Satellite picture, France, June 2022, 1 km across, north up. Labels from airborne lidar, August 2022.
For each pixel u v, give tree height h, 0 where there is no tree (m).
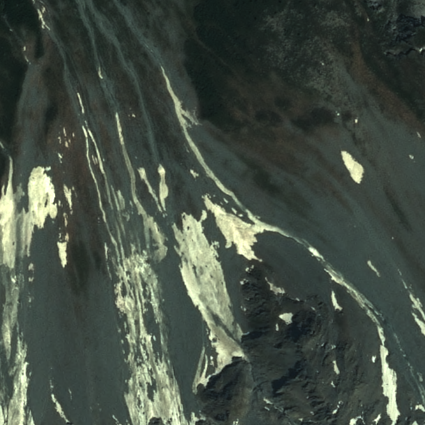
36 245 0
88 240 0
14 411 0
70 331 0
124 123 0
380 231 0
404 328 0
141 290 0
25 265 0
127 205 0
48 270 0
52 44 0
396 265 0
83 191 0
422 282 0
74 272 0
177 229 0
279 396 0
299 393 0
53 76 0
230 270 0
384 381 0
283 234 0
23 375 0
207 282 0
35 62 0
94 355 0
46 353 0
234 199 0
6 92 0
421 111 0
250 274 7
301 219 0
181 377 0
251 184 0
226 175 0
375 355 0
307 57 0
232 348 0
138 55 0
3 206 0
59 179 0
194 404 0
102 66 0
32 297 0
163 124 0
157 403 0
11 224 0
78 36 0
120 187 0
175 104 0
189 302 0
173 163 0
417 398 0
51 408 0
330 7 0
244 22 0
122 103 0
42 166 0
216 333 0
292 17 0
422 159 0
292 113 0
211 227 0
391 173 0
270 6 0
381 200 0
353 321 0
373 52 0
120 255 0
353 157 0
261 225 0
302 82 0
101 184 0
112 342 0
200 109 0
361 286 0
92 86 0
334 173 0
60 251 0
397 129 0
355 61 0
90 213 0
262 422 0
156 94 0
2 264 0
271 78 0
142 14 0
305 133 0
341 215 0
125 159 0
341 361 0
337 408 0
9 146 0
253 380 0
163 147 0
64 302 0
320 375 0
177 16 0
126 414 0
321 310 0
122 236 0
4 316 0
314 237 0
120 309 0
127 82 0
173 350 0
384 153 0
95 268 0
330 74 0
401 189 0
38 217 0
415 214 0
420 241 0
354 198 0
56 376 0
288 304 0
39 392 0
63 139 0
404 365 0
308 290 0
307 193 0
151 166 0
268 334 0
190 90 0
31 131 0
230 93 0
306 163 0
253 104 0
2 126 0
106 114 0
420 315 0
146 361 0
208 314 0
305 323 0
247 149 0
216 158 0
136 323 0
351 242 0
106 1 0
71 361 0
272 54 0
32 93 0
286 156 0
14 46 0
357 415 0
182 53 0
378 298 0
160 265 0
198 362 0
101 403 0
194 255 0
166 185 0
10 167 0
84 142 0
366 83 0
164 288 0
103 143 0
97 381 0
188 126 0
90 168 0
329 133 0
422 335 0
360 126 0
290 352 0
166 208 0
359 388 0
